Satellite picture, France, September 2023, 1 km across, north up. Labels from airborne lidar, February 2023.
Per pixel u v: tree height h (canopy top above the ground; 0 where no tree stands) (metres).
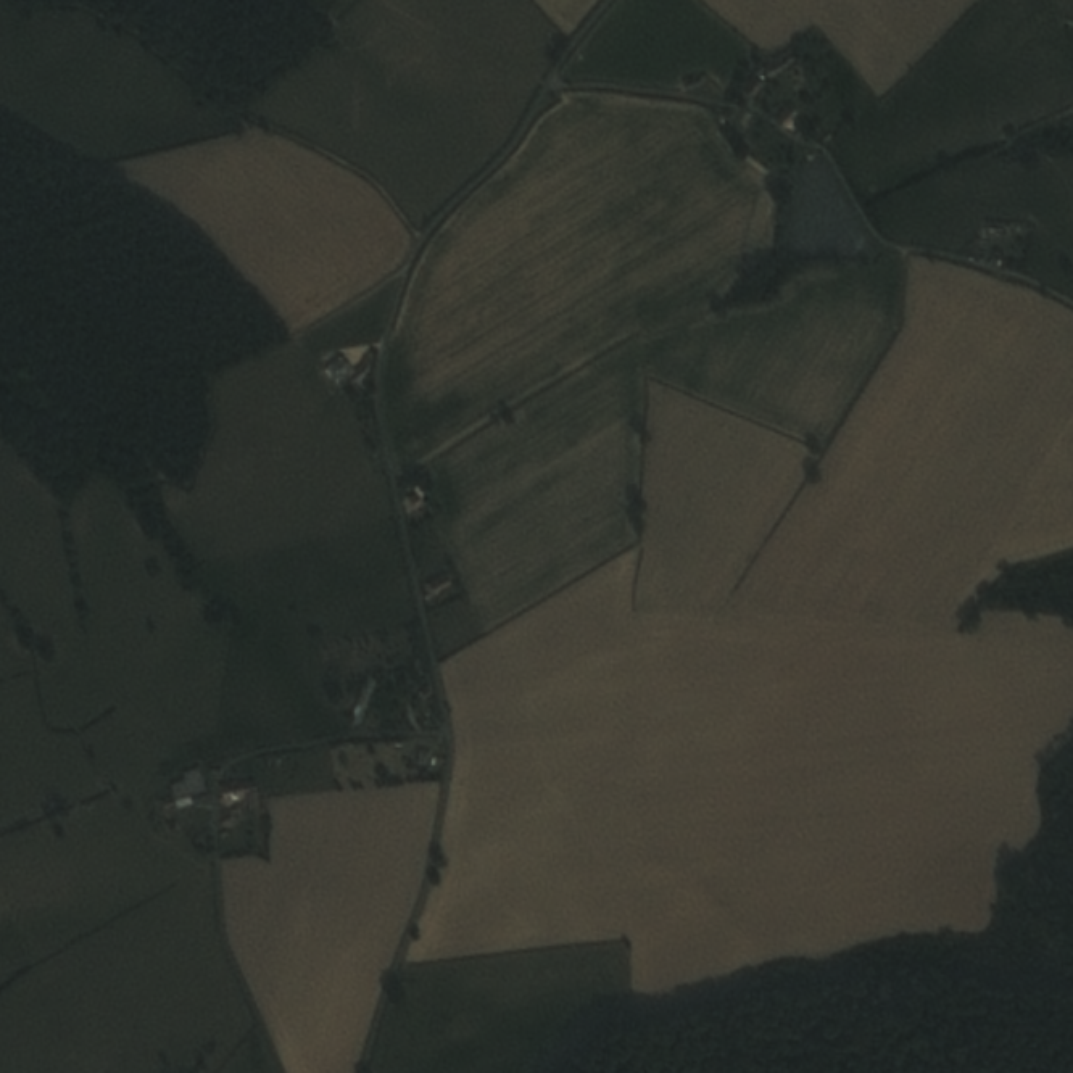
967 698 0
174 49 17
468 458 0
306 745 0
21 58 0
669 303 0
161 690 0
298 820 0
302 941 0
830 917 0
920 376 0
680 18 0
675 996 0
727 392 0
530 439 0
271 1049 0
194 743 0
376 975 0
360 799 0
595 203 0
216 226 0
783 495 0
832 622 0
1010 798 0
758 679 0
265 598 0
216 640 0
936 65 0
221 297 15
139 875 0
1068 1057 29
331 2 0
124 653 0
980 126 0
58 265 17
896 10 0
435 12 0
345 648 0
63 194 16
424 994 0
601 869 0
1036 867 23
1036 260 0
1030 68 0
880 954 9
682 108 0
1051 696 0
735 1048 36
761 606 0
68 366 15
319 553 0
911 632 0
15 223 17
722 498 0
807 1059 30
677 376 0
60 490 12
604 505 0
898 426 0
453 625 0
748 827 0
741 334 0
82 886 0
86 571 0
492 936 0
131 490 8
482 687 0
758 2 0
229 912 0
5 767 0
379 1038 0
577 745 0
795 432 0
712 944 0
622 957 0
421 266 0
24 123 11
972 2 0
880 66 0
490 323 0
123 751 0
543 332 0
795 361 0
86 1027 0
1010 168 0
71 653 0
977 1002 27
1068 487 0
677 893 0
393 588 0
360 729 0
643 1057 35
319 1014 0
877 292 0
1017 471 0
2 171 15
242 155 0
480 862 0
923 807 0
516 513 0
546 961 0
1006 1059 25
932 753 0
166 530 7
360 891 0
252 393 0
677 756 0
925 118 0
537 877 0
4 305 14
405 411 0
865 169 0
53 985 0
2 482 0
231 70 18
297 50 18
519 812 0
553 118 0
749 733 0
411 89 0
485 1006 0
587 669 0
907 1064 31
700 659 0
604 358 0
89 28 0
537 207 0
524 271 0
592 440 0
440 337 0
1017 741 0
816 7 0
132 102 0
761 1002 30
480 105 0
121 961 0
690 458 0
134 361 14
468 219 0
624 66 0
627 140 0
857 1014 31
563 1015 0
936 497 0
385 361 0
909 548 0
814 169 0
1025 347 0
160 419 20
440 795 0
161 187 0
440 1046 0
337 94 0
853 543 0
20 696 0
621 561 0
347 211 0
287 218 0
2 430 11
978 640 0
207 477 0
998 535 0
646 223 0
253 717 0
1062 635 0
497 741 0
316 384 0
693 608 0
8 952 0
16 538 0
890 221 0
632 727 0
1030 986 31
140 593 0
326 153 0
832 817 0
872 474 0
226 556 0
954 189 0
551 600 0
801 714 0
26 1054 0
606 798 0
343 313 0
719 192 0
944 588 0
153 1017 0
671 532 0
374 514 0
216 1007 0
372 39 0
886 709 0
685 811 0
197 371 11
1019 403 0
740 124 0
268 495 0
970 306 0
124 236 16
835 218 0
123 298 15
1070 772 24
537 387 0
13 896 0
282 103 0
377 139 0
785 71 0
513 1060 0
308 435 0
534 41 0
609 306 0
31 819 0
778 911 0
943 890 0
